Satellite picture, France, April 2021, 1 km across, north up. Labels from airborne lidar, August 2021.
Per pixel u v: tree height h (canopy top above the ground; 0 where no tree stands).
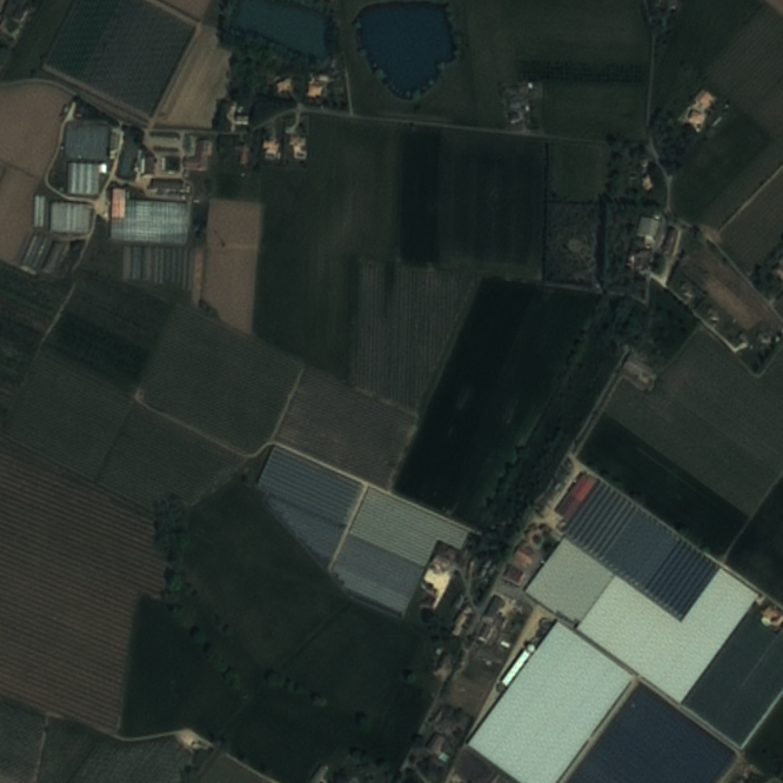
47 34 0
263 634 0
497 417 0
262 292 0
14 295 8
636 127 0
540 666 0
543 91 0
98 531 0
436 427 0
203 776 0
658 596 0
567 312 0
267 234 0
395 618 0
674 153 8
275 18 0
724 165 0
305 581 0
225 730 0
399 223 0
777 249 7
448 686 6
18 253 0
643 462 0
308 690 0
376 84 0
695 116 0
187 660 0
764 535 0
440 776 15
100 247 0
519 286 0
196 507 0
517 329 0
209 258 0
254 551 0
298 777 0
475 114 0
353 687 0
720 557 0
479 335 0
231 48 23
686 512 0
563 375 10
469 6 0
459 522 0
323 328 0
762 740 0
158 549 10
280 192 0
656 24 9
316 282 0
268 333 0
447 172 0
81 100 10
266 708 0
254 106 12
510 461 0
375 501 0
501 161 0
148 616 0
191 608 0
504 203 0
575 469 0
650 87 0
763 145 0
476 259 0
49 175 0
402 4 0
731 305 0
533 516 17
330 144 0
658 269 13
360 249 0
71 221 0
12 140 0
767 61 0
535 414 0
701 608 0
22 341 5
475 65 0
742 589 0
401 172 0
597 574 0
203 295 0
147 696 0
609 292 14
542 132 0
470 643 12
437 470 0
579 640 0
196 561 0
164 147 6
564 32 0
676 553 0
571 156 0
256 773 0
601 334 7
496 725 0
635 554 0
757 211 0
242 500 0
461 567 15
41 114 0
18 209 0
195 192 0
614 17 0
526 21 0
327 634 0
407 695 0
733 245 0
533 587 0
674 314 8
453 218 0
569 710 0
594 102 0
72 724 0
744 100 0
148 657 0
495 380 0
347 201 0
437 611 0
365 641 0
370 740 0
